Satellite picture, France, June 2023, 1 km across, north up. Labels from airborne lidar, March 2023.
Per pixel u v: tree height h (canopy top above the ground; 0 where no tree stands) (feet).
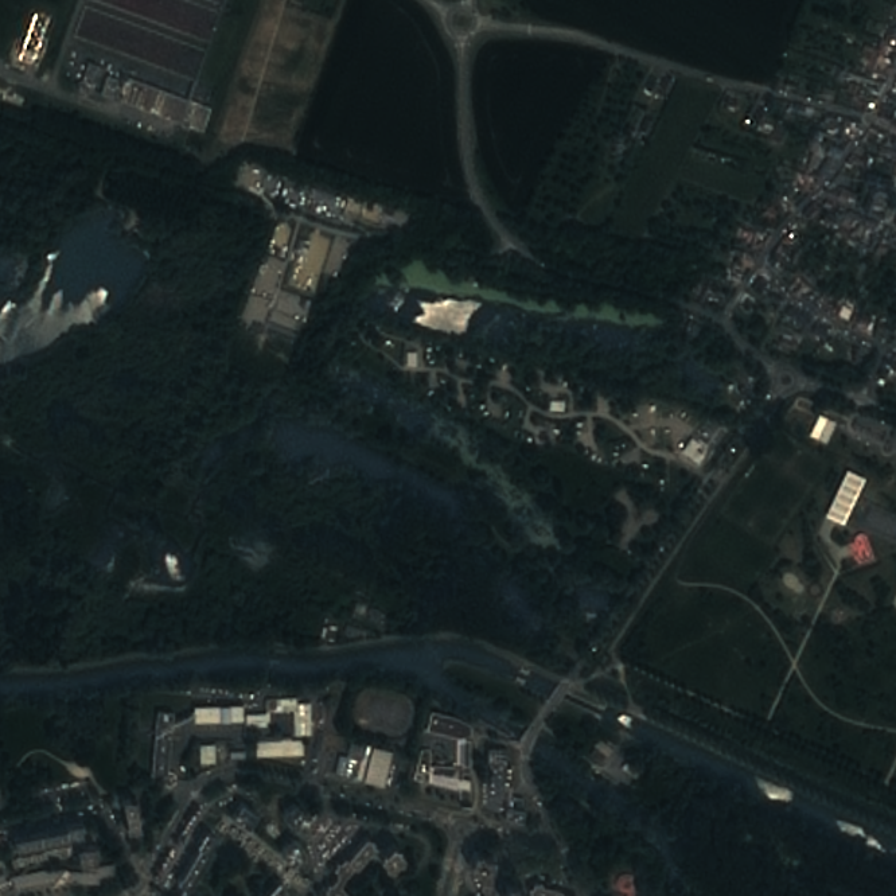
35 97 0
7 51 0
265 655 0
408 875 47
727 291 31
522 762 0
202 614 34
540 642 56
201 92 0
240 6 0
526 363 42
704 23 0
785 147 0
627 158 23
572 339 26
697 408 29
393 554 31
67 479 0
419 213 31
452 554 23
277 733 37
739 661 0
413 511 133
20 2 0
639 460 0
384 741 52
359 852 0
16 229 72
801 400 0
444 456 0
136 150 42
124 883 42
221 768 0
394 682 51
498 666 0
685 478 34
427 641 0
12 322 0
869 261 23
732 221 40
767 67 0
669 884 69
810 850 128
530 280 35
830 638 23
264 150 29
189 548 0
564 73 0
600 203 0
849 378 52
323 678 48
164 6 0
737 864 129
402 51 0
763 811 110
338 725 49
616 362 25
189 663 0
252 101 0
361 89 0
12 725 0
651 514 0
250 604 52
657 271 19
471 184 0
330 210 0
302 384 31
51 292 0
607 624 33
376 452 0
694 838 127
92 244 0
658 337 58
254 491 25
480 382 39
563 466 0
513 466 31
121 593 20
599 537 31
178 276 30
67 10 0
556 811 66
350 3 0
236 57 0
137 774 56
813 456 0
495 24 0
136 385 94
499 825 0
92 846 0
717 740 57
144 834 49
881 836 0
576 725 0
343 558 111
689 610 0
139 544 0
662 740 0
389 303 0
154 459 22
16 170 42
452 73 0
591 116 24
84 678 0
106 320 21
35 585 47
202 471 38
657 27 0
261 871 45
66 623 88
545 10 0
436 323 0
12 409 26
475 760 41
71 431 116
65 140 65
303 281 0
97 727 94
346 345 65
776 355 22
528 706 0
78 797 42
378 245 58
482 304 0
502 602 28
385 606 0
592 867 89
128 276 0
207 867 0
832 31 22
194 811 22
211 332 19
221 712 0
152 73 0
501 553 56
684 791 51
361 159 0
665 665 0
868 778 28
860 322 0
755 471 0
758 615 0
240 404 71
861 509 0
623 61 23
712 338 24
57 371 19
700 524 0
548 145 0
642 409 0
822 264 23
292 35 0
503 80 0
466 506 111
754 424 25
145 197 62
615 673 32
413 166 0
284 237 0
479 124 0
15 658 44
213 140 0
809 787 49
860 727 0
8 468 0
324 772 0
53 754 0
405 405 0
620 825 42
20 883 0
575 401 0
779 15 0
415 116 0
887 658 0
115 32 0
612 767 0
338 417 78
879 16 0
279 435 0
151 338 19
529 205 28
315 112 0
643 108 25
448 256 54
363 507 23
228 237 21
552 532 0
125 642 36
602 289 57
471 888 0
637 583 36
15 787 45
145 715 0
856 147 0
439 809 0
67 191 47
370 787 34
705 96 0
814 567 23
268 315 0
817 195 0
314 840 0
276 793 0
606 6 0
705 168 0
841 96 0
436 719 0
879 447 0
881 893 111
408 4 0
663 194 0
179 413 38
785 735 23
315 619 0
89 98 0
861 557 0
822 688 0
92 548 0
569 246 52
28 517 81
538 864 41
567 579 78
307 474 37
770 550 0
